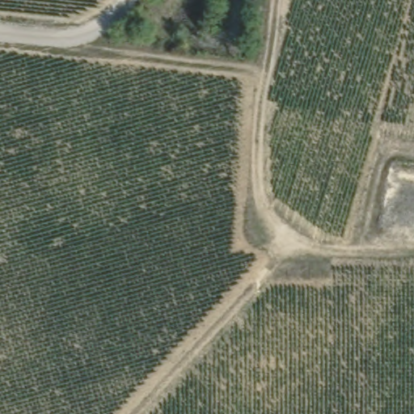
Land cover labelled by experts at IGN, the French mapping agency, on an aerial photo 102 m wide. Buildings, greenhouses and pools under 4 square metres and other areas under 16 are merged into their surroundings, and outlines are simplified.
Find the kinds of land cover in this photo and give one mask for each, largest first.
<instances>
[{"label":"vineyard","instance_id":"1","mask_svg":"<svg viewBox=\"0 0 414 414\"><path fill-rule=\"evenodd\" d=\"M99 0H0V11L70 16L92 8ZM285 39L273 71V84L268 89V100L278 105L273 112L268 133L272 157L270 184L275 199H278L285 202L289 209L301 213L302 217L315 226L325 233L320 244H341L343 239L349 244H364L375 238L370 231V222L374 215L375 194L383 165L391 155L414 158V0H289ZM241 95V84L238 79L231 78L0 52V414H115L128 401L129 396L133 395L136 388L141 387L144 380L154 372L155 367L167 359L171 349H175L184 340V336H188L191 330L197 327V323L202 322L207 312L222 301L223 293L230 291L231 286L238 283L241 275L251 268L252 262L256 259L254 254L231 251L236 202L231 184L233 160L238 158V128L241 121L236 115ZM246 317L243 328L233 323L231 327L220 330L217 338L212 340V348L205 351L204 356L197 357L194 364L189 365L186 377L181 380V387H176L175 396L168 395L167 399L158 404L150 414H414V267L409 268L408 273H401V267L396 265H332V278H275L272 273L265 278L260 288L256 301L244 306Z\"/></svg>","mask_w":414,"mask_h":414},{"label":"herbaceous vegetation","instance_id":"2","mask_svg":"<svg viewBox=\"0 0 414 414\"><path fill-rule=\"evenodd\" d=\"M0 52L231 78V71L246 73V68H238L241 63L218 58L181 57L173 53L118 49L108 45H95L92 42L63 49L50 45L0 42ZM254 103L247 102L241 95L236 115L241 121L238 128V158L233 160L231 184L236 202L231 251L254 254L256 259L264 254V251H268V243L272 238L265 228L264 220L257 213L252 191ZM399 168L414 173V158L391 155L383 165L375 194L374 215L370 222V231L375 238L383 234L380 218L383 215V196L387 192L388 170ZM273 212L277 213L281 222L288 225L291 230L309 241L312 236L310 231L315 226L302 217L301 213L289 209L285 202L278 199ZM332 265H396L401 267V273H408L409 268L414 267V249L362 251L357 252V256L325 257L299 254L285 257L281 260L277 272L272 273L275 278H332ZM256 272L251 268L241 275L238 283L231 286L230 291L223 293L222 301L207 312L202 322L197 323V327L191 330L188 336H184V340L175 349H171L167 359L155 367L154 372L144 380L141 387L136 388L133 395L129 396L128 401L115 414H150L158 404L167 399L168 395L175 396L176 387H181V380L186 377L189 365L194 364L197 357L204 356L205 351L212 348V340L217 338L220 330L231 327L233 323L243 328L246 317L244 306L256 301L260 288L254 285Z\"/></svg>","mask_w":414,"mask_h":414},{"label":"pervious surface","instance_id":"3","mask_svg":"<svg viewBox=\"0 0 414 414\"><path fill-rule=\"evenodd\" d=\"M126 0H99L92 8L70 16L0 11V23L50 29L81 27L92 21H99L100 13L107 10L108 6L116 8ZM289 0H270L264 50L257 55L254 63H241L238 68H246V73L231 71V78L238 79L241 84V95L247 102L254 103L252 191L257 213L264 220L265 228L272 238L268 243V251H264V254L256 259L252 262L251 268L256 272L254 285L260 288L265 278L272 273L277 272L281 260L285 257L299 254L325 257L357 256V252L362 251L414 249V173L399 168L388 170L387 192L383 196V215L380 218L383 234L375 238L364 244H349L343 239L341 244H320L325 233L315 226L310 231L312 236L309 241L291 230L288 225L281 222L277 213L273 212L278 199H275L270 184L272 157L268 133L273 112L278 105L268 100V89L273 84V71L285 39Z\"/></svg>","mask_w":414,"mask_h":414},{"label":"deciduous trees","instance_id":"4","mask_svg":"<svg viewBox=\"0 0 414 414\"><path fill-rule=\"evenodd\" d=\"M270 0H142L139 15H126L125 18L116 21L115 26L110 29L112 39H103L99 36L92 42L95 45H108L118 49L173 53L181 57L218 58L241 63H254L257 55L264 50Z\"/></svg>","mask_w":414,"mask_h":414},{"label":"impervious surface","instance_id":"5","mask_svg":"<svg viewBox=\"0 0 414 414\"><path fill-rule=\"evenodd\" d=\"M142 0H126L116 8L108 6L107 10L100 13L99 21H92L81 27L50 29L0 23V42L50 45L63 49L92 42L99 36L103 39H112L110 29L115 26L116 21L125 18L126 15H139Z\"/></svg>","mask_w":414,"mask_h":414}]
</instances>
